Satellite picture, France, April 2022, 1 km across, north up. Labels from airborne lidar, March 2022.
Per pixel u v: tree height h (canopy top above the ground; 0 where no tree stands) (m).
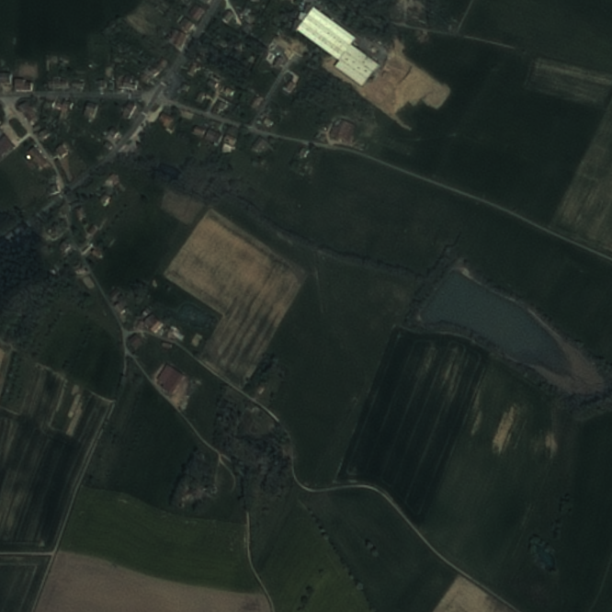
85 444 0
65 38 0
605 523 0
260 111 0
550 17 0
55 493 0
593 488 0
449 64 0
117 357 0
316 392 0
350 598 0
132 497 0
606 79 0
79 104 0
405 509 0
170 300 0
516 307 0
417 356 0
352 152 0
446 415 0
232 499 0
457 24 0
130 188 0
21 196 0
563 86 0
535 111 0
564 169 0
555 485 0
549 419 0
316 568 0
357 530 0
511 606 0
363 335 0
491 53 0
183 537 0
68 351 0
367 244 0
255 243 0
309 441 0
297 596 0
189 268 0
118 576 0
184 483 18
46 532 0
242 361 0
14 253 27
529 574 0
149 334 0
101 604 0
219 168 20
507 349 0
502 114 0
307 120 0
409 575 0
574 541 0
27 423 0
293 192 0
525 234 0
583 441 0
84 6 0
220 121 0
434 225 0
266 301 0
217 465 0
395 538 0
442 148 0
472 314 0
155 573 0
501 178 0
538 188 0
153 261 0
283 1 0
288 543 0
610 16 0
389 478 0
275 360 13
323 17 0
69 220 0
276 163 0
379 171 0
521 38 0
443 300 0
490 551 0
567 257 0
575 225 0
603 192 0
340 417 0
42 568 0
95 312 0
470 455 0
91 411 0
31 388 0
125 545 0
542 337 0
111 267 0
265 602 0
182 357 0
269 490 25
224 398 0
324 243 0
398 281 0
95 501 0
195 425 0
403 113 0
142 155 0
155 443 0
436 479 0
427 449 0
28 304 27
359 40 0
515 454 0
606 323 0
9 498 0
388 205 0
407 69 0
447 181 0
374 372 0
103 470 0
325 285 0
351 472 0
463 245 0
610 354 0
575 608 0
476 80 0
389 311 0
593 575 0
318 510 0
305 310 0
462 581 0
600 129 0
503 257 0
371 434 0
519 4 0
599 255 0
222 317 0
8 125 0
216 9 0
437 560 0
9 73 0
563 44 0
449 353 0
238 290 0
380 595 0
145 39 7
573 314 0
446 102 0
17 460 0
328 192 0
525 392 0
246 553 0
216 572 0
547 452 0
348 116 0
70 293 22
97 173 7
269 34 0
